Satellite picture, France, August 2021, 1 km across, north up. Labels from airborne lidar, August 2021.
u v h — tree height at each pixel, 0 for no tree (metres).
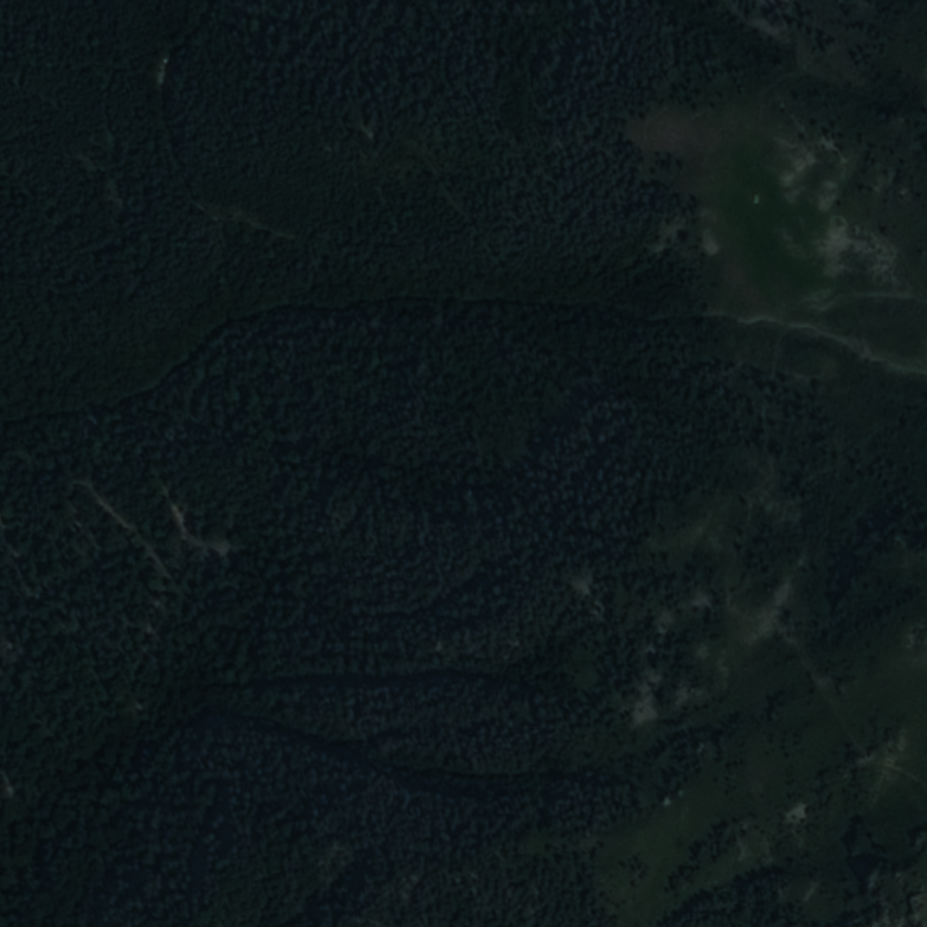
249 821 26
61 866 30
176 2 19
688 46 11
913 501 6
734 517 0
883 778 0
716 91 0
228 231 17
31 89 17
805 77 0
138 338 12
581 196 17
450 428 21
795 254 0
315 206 10
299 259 14
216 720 8
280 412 25
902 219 0
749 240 0
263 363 23
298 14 28
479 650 18
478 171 7
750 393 0
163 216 21
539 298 6
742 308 0
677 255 9
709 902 19
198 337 11
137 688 19
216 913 20
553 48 16
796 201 0
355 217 14
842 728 0
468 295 15
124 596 22
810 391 0
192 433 10
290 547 16
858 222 0
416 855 15
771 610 0
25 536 9
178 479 20
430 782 13
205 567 17
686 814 0
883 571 0
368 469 16
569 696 8
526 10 25
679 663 9
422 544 31
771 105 0
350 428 10
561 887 14
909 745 0
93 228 24
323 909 33
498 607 20
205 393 11
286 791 26
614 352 14
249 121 19
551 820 11
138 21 17
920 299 0
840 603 12
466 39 26
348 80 13
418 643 27
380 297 5
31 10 15
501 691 24
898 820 0
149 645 16
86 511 17
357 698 23
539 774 10
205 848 15
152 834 31
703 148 0
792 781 6
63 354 18
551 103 21
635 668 12
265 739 24
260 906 21
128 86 16
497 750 24
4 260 27
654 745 0
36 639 28
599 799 20
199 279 24
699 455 8
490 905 16
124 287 24
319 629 30
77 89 19
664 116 0
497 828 30
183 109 20
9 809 29
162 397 12
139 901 19
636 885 15
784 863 0
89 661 26
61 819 34
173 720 17
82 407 17
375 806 29
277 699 23
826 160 0
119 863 23
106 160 25
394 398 16
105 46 17
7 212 23
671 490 7
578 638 12
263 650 22
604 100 22
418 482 7
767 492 0
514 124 7
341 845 12
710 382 16
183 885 22
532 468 8
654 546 0
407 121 13
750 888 19
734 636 0
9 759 12
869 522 7
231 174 19
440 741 29
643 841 0
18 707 27
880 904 8
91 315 23
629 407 22
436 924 30
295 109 12
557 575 10
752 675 0
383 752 31
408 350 13
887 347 0
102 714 19
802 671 0
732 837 8
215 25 18
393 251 21
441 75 14
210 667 18
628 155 14
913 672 0
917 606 0
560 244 14
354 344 14
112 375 14
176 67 13
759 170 0
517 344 9
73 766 24
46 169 21
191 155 21
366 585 17
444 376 10
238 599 12
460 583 28
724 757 8
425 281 13
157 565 27
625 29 23
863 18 0
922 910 9
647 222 7
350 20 11
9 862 23
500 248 16
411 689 25
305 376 19
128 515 11
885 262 0
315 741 8
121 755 29
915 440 0
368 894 19
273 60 28
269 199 16
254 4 8
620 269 10
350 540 24
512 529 26
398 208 12
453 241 22
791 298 0
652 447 10
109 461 14
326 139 10
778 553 7
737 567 0
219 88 13
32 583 17
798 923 10
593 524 26
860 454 6
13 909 8
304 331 14
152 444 17
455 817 33
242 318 11
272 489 8
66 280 27
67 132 23
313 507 23
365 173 6
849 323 0
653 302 7
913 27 0
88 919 23
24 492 20
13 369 21
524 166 6
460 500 11
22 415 19
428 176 7
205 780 30
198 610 18
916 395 0
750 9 17
